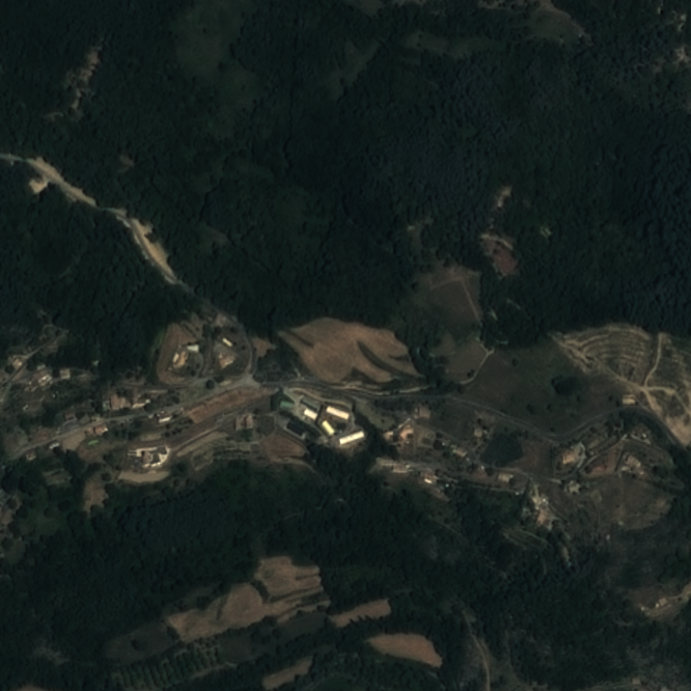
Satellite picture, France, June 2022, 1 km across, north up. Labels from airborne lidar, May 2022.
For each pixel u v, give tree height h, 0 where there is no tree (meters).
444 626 17
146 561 16
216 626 0
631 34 11
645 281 23
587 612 12
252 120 11
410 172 17
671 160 39
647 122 20
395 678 8
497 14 19
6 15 17
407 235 10
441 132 13
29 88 7
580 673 7
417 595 10
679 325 32
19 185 15
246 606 0
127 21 17
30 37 10
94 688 18
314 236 7
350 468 6
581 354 0
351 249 19
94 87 25
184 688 30
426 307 0
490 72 18
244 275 21
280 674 0
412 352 12
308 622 0
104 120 14
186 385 0
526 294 15
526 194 11
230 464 7
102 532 34
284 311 18
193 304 13
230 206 18
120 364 14
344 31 19
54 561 17
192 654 8
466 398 0
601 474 0
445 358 7
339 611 16
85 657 19
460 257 9
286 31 16
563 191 7
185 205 20
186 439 0
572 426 0
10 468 10
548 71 16
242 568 12
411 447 0
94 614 17
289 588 0
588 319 17
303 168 21
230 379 0
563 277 19
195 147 14
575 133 10
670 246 35
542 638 14
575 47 7
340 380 0
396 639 0
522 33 19
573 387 12
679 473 10
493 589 10
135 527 36
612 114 15
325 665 10
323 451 17
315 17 20
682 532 0
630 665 8
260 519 7
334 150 22
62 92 14
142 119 20
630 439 7
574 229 17
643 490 0
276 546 13
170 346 0
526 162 11
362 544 12
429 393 10
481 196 24
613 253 20
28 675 19
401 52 18
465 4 13
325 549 11
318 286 22
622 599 9
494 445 0
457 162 26
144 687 7
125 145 15
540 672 7
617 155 13
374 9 0
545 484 0
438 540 6
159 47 13
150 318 12
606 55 12
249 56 15
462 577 13
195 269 20
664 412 0
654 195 28
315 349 0
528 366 0
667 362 0
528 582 14
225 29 0
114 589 12
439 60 17
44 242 14
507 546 13
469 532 15
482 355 0
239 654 0
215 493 7
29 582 10
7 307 36
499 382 0
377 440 13
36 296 12
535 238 11
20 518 15
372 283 21
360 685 8
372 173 23
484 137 16
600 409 0
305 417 0
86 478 6
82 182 25
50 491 14
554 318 19
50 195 17
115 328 19
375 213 19
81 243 19
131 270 15
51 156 17
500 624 13
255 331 14
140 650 29
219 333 9
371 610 0
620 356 0
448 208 21
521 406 0
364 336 0
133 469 0
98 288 8
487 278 9
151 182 8
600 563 11
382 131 15
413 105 8
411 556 8
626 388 0
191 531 21
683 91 14
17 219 24
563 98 11
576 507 0
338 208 21
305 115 19
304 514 11
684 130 24
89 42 11
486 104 17
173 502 16
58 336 10
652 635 11
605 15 11
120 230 12
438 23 21
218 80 0
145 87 21
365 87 17
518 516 9
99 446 0
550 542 13
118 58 17
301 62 18
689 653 12
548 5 0
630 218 13
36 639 12
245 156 13
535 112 9
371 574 15
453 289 0
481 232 13
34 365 10
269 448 0
